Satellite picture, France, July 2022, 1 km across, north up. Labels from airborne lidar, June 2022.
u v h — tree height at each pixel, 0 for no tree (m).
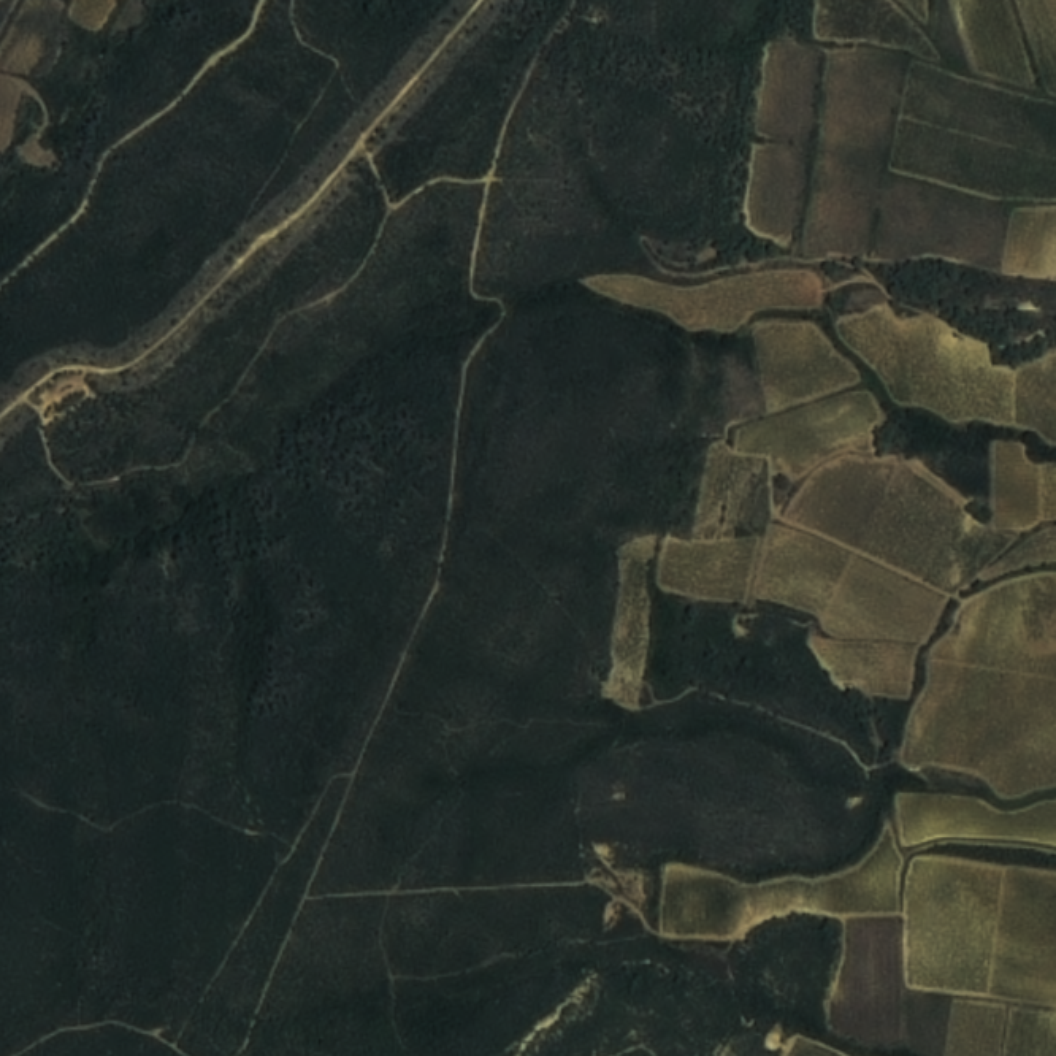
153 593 13
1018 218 0
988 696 0
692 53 6
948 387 0
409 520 7
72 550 16
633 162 0
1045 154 0
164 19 13
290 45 0
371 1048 7
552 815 0
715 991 8
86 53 5
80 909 6
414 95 0
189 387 0
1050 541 0
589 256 0
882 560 0
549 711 0
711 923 0
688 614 13
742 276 0
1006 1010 0
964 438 5
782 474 6
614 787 0
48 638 6
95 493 9
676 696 0
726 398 0
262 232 0
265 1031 7
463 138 7
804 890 0
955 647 0
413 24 6
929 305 6
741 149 8
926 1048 0
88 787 6
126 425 6
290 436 16
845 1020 0
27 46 0
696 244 10
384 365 7
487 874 0
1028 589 0
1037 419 0
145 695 8
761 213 0
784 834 0
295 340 0
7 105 0
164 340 0
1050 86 0
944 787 0
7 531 13
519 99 0
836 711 6
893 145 0
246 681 7
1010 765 0
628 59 9
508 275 0
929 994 0
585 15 8
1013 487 0
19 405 0
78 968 8
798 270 0
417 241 6
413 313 5
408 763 0
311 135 0
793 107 0
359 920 0
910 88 0
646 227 7
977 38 0
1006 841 0
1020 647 0
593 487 0
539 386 0
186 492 10
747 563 0
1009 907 0
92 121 10
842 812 0
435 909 0
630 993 7
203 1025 5
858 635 0
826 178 0
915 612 0
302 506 7
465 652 0
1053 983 0
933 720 0
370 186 8
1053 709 0
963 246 0
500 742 0
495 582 0
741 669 6
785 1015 6
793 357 0
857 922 0
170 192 0
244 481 8
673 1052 0
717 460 0
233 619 7
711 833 0
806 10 7
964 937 0
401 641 0
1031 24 0
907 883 0
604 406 0
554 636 0
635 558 0
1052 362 0
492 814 0
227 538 8
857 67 0
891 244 0
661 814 0
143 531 7
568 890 0
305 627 10
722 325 0
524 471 0
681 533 0
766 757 0
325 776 0
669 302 0
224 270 0
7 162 7
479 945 0
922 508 0
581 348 0
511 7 8
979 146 0
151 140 0
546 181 0
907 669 0
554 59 9
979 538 0
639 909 0
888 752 9
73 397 6
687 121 11
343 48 0
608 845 0
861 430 0
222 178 0
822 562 0
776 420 0
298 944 0
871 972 0
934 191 0
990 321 6
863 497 0
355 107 0
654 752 0
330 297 0
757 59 7
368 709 0
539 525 0
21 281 6
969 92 0
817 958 0
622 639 0
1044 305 0
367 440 10
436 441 8
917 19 0
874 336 0
